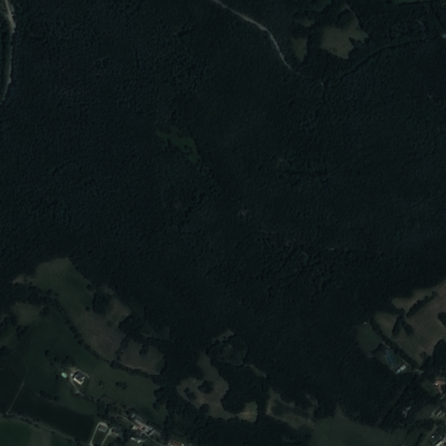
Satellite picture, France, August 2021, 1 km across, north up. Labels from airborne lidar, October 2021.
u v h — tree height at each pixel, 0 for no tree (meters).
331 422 0
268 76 23
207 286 19
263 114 23
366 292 17
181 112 19
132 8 24
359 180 20
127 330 16
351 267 20
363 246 17
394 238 21
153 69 20
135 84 22
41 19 23
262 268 20
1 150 25
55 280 0
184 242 27
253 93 29
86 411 0
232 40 24
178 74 21
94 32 15
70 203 28
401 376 11
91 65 27
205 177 15
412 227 19
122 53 23
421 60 31
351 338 15
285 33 21
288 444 21
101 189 30
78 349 0
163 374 17
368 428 0
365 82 19
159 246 17
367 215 13
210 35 26
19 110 22
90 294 0
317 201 20
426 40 19
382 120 22
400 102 27
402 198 17
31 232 28
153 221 22
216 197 17
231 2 25
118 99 30
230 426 18
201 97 19
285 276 14
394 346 13
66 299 0
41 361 0
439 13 21
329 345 17
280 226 16
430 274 16
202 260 19
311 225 18
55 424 0
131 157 22
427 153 16
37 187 26
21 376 0
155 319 20
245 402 16
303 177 25
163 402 14
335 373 12
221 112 20
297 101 31
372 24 27
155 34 20
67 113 20
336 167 20
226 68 25
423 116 22
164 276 15
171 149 9
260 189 19
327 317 14
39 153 26
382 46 23
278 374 20
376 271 19
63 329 0
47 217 24
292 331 21
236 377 20
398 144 21
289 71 28
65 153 26
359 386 15
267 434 22
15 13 16
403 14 20
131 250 20
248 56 28
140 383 0
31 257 18
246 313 15
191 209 18
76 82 22
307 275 22
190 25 25
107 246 22
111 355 0
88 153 27
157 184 20
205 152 19
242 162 21
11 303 19
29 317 0
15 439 0
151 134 16
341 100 26
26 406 0
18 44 16
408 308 0
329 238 17
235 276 17
